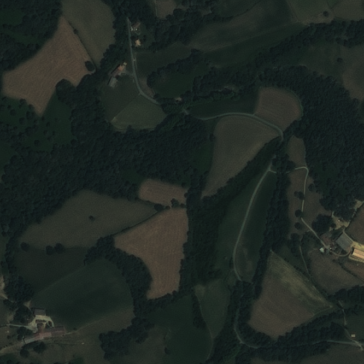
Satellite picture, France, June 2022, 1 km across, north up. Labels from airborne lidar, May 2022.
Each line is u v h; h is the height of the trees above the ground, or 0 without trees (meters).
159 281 0
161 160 20
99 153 18
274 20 0
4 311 0
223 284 0
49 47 0
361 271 0
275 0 0
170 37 22
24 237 0
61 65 0
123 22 6
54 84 0
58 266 0
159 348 0
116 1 22
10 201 17
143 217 0
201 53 19
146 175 8
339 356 0
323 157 11
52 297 0
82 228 0
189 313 0
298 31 0
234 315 13
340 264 8
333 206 24
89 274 0
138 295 16
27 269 0
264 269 12
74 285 0
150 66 0
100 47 0
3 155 0
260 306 0
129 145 26
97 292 0
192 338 0
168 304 18
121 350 23
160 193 0
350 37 14
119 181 22
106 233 0
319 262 0
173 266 0
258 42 0
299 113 0
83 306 0
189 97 24
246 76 13
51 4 25
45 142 0
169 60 0
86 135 22
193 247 6
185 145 19
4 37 15
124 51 11
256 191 0
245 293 22
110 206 0
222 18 6
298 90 19
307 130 22
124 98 0
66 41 0
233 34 0
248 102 0
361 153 14
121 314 0
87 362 0
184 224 0
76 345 0
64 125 0
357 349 0
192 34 13
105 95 0
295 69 16
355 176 11
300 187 0
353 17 0
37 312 0
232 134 0
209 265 11
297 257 16
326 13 14
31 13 19
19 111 0
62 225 0
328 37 21
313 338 22
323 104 18
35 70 0
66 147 15
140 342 16
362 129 17
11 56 27
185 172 11
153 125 0
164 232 0
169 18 20
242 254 0
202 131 19
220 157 0
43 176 15
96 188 21
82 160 24
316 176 18
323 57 0
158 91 0
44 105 0
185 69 21
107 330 0
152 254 0
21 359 0
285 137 12
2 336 0
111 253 16
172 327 0
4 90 0
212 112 0
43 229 0
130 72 0
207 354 0
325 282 0
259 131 0
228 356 30
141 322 26
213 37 0
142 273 22
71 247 0
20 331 15
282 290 0
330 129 16
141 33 0
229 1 0
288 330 0
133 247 0
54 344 0
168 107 25
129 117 0
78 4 0
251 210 0
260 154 7
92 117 20
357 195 20
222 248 0
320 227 24
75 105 15
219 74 21
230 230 0
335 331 17
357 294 25
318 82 14
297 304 0
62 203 17
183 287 15
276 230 19
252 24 0
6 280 24
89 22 0
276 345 8
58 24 0
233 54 0
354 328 0
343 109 18
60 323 0
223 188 9
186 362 0
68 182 21
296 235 13
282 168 16
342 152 10
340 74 0
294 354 26
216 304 0
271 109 0
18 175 20
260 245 0
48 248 16
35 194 20
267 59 13
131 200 14
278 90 0
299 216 18
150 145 25
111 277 0
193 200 22
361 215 0
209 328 0
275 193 16
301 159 0
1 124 14
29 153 22
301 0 0
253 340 19
